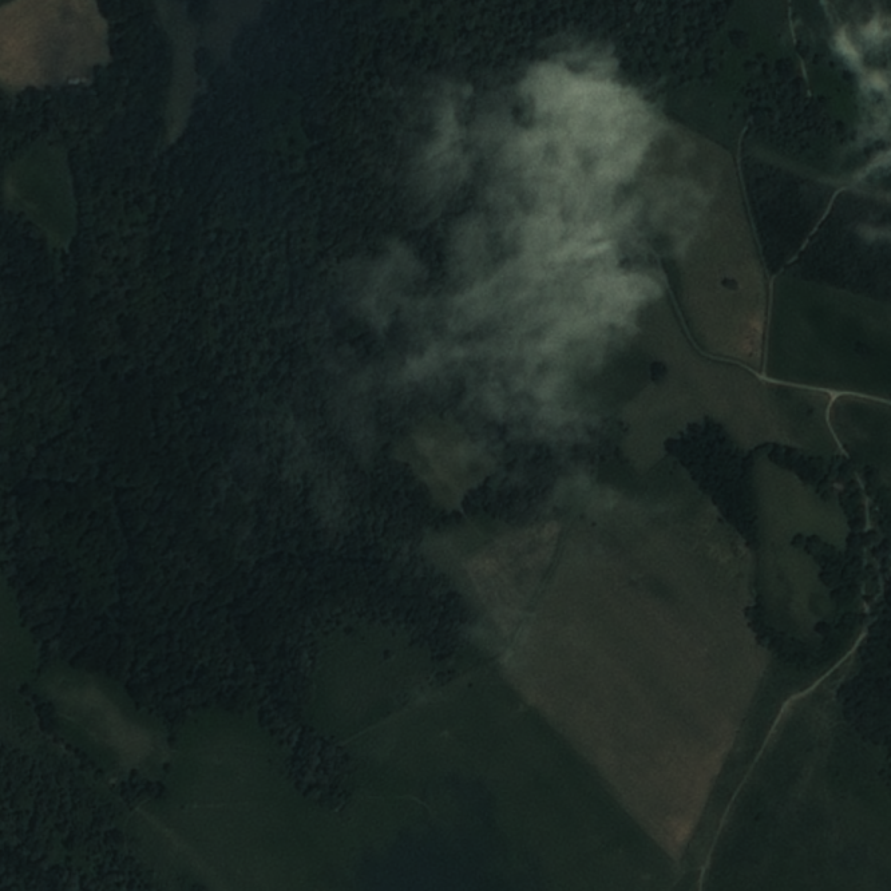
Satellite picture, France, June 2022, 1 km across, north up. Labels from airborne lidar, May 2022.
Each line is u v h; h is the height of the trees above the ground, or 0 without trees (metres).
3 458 13
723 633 0
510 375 19
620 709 0
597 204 9
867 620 14
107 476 22
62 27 0
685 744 0
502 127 23
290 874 0
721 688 0
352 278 17
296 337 12
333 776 12
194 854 0
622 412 0
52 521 11
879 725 11
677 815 0
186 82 0
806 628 0
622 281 8
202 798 0
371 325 17
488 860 0
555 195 10
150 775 0
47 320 23
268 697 9
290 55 18
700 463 13
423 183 16
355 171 17
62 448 21
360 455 15
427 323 20
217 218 12
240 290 10
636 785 0
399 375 21
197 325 16
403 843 0
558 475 17
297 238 13
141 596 9
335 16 21
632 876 0
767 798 0
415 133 14
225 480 28
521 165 10
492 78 13
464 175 10
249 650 26
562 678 0
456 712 0
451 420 7
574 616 0
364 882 0
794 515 0
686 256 0
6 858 27
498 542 0
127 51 19
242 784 0
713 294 0
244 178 11
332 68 12
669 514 0
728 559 0
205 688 24
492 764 0
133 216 13
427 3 9
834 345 0
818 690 0
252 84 10
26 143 8
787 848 0
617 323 11
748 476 13
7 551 11
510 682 0
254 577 21
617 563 0
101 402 30
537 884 0
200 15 17
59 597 16
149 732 0
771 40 0
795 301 0
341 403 7
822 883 0
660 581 0
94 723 0
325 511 9
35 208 0
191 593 23
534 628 0
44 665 10
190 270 16
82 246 21
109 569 6
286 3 19
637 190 0
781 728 0
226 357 14
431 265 16
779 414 0
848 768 0
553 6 12
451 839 0
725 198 0
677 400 0
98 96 14
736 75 0
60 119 21
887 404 0
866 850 0
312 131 26
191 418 30
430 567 8
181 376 30
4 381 23
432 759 0
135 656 18
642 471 0
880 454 0
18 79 0
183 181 21
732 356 0
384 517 11
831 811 0
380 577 29
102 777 12
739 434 0
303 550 24
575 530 0
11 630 0
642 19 18
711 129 0
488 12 10
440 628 15
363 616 9
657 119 0
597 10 14
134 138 13
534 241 14
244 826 0
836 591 8
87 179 19
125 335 32
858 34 0
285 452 10
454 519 11
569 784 0
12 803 11
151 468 24
